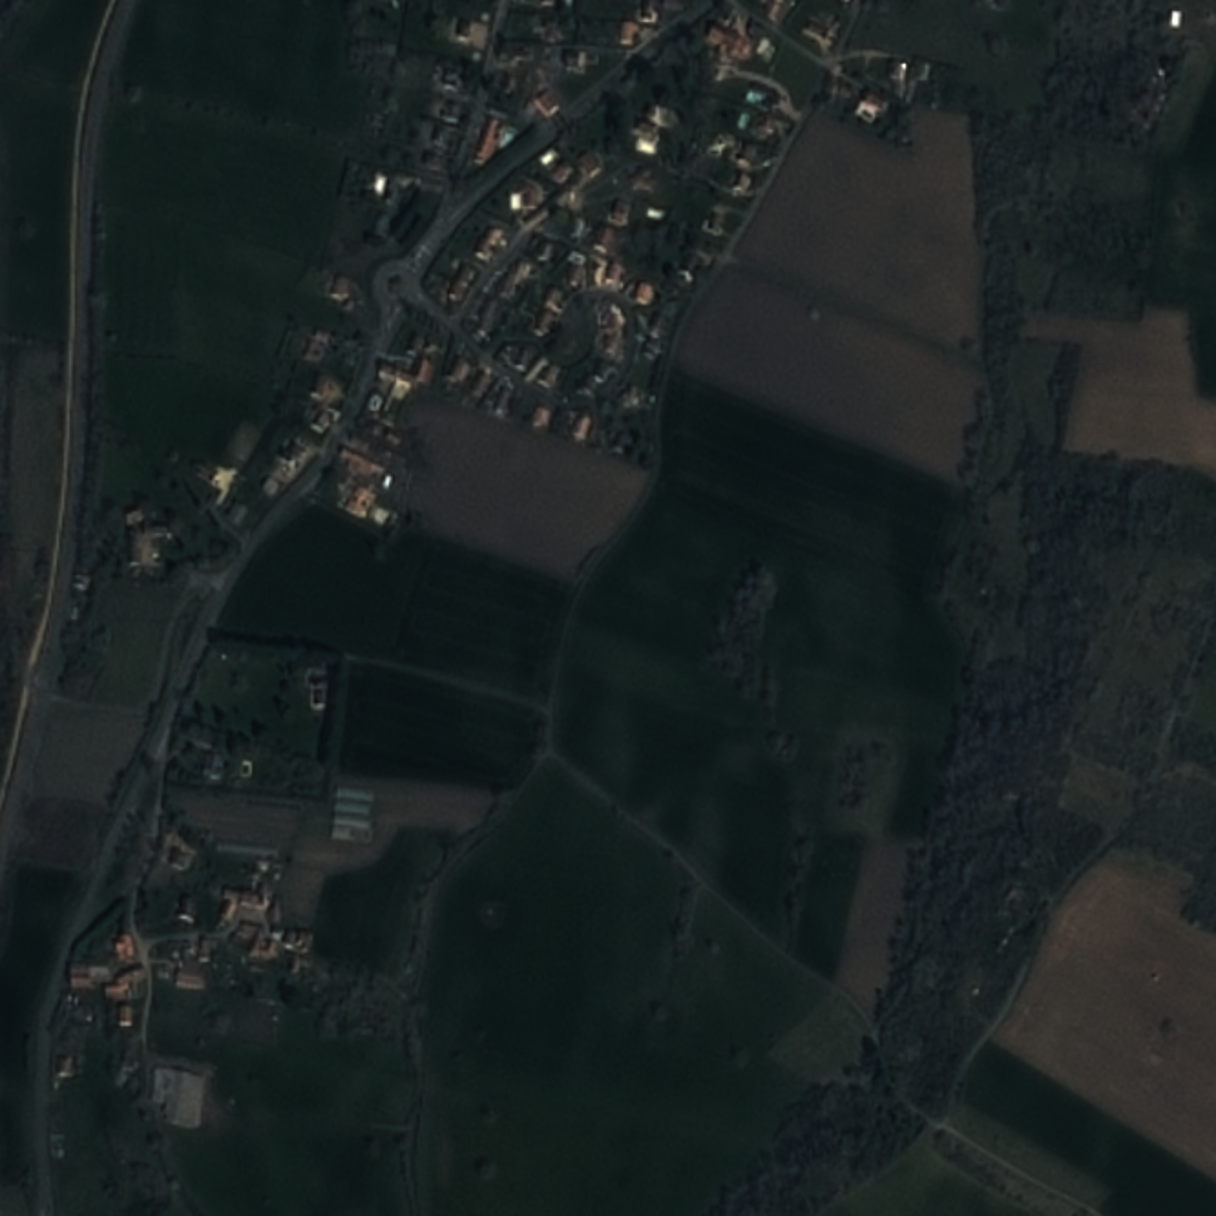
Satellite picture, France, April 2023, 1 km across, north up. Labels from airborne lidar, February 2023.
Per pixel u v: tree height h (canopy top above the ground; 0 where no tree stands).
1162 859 8
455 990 0
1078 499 11
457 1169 0
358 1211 0
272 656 15
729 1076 0
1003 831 10
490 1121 14
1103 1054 0
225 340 0
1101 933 0
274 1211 0
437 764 0
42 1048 0
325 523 0
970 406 0
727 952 0
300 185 0
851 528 0
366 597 0
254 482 0
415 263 0
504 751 0
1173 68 10
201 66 0
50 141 0
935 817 9
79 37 0
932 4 0
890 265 0
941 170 0
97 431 14
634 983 0
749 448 0
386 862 0
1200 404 0
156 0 0
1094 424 0
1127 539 9
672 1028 0
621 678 0
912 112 11
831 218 0
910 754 0
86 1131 0
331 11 0
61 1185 0
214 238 0
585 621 0
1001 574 0
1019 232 0
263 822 0
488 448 0
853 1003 0
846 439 0
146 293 0
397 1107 0
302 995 7
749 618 11
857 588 0
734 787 0
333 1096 0
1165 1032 9
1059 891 19
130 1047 7
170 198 0
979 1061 0
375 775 0
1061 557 17
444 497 0
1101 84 10
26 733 0
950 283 0
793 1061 0
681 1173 0
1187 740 12
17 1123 0
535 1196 0
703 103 17
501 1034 0
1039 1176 0
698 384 0
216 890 8
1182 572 0
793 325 0
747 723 0
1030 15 0
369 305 0
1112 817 0
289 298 0
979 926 15
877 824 0
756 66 0
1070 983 0
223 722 17
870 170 0
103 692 0
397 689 0
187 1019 0
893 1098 15
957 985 12
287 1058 0
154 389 0
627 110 18
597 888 0
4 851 0
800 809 0
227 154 0
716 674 0
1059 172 0
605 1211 0
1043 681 11
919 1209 0
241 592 0
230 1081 0
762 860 0
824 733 0
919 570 0
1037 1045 0
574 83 0
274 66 0
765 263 0
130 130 0
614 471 0
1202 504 0
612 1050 0
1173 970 0
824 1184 0
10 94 0
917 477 0
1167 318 0
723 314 0
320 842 0
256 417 0
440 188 0
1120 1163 0
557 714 0
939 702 0
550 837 0
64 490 0
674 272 8
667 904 0
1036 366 0
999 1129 0
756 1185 15
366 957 0
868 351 0
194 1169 0
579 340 0
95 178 0
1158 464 6
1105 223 10
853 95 12
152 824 14
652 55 0
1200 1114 0
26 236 13
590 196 0
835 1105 13
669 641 0
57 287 0
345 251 0
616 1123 0
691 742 0
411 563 0
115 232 0
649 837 0
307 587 0
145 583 6
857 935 0
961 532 0
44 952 0
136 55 0
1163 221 0
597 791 0
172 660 0
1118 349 0
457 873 0
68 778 0
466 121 9
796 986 0
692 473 0
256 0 0
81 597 7
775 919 0
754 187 7
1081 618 7
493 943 0
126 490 0
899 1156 11
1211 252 0
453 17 0
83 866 0
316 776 12
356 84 0
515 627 0
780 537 0
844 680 0
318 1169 0
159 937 0
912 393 0
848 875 0
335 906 0
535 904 0
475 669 0
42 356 0
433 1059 0
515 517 0
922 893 10
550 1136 0
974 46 0
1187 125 0
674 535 0
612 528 0
